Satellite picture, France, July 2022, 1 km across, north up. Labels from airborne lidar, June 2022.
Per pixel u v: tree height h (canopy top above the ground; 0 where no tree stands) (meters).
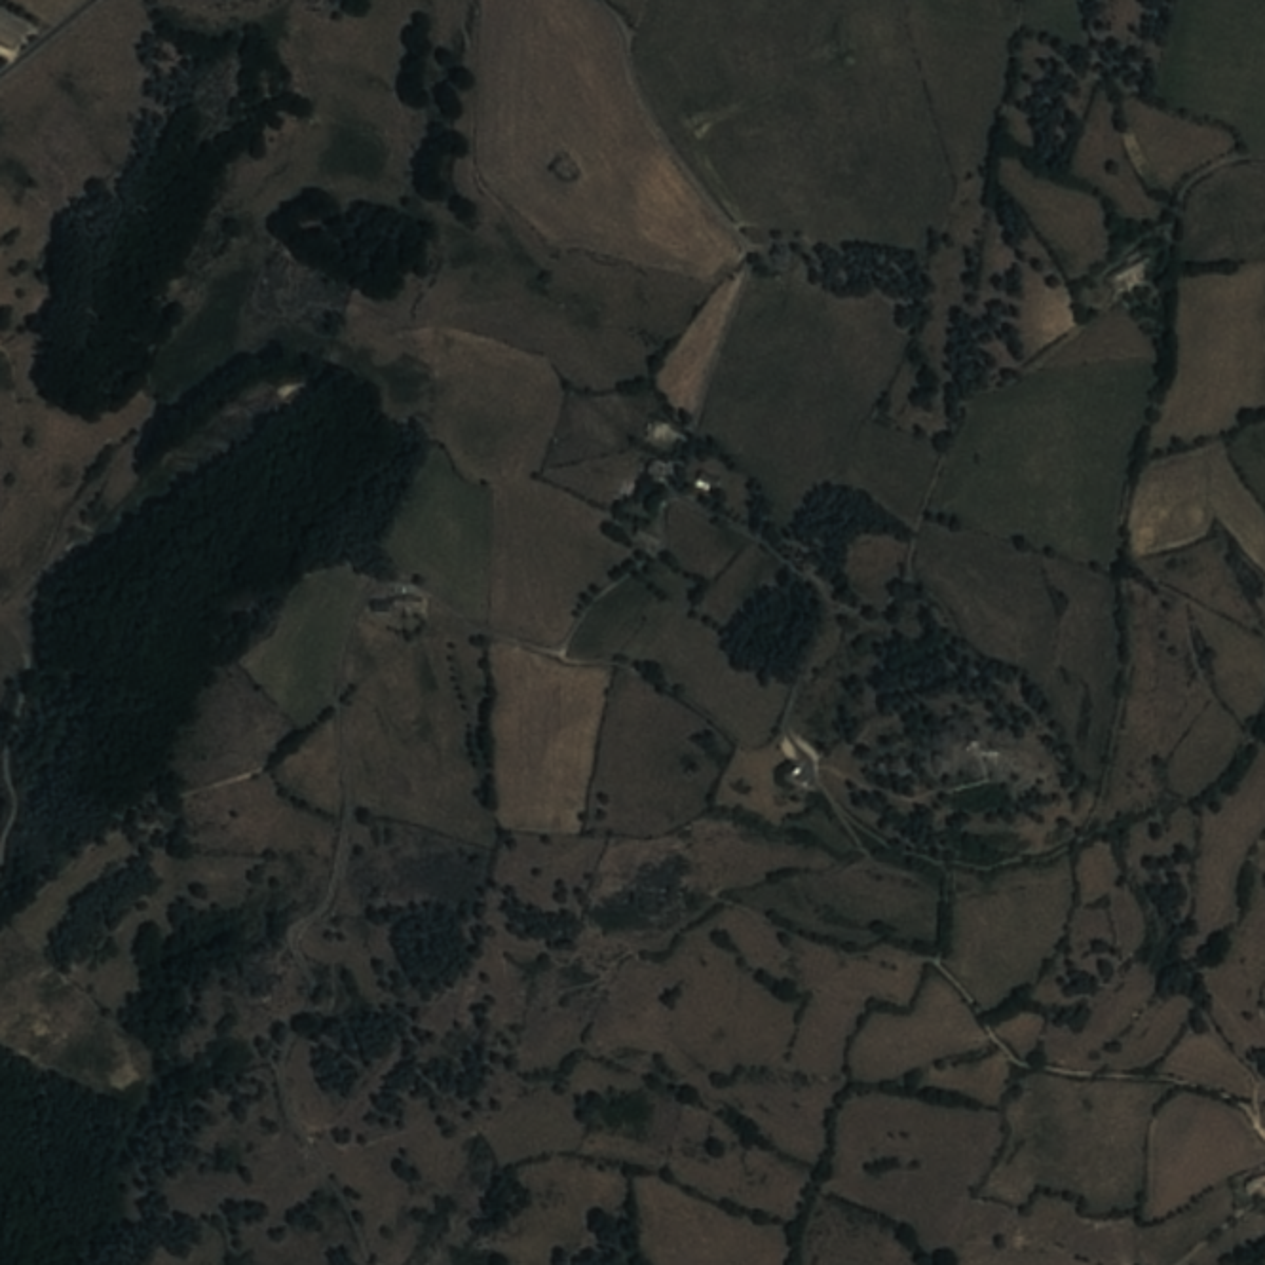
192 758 0
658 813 0
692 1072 0
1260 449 0
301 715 0
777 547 11
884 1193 0
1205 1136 0
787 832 8
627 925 0
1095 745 0
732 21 0
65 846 6
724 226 0
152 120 14
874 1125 0
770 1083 0
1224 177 0
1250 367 0
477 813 0
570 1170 0
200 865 0
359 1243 0
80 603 16
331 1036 14
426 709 0
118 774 9
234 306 0
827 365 0
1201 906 0
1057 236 0
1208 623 0
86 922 8
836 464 0
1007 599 0
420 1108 0
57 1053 0
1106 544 0
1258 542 0
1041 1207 0
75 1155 20
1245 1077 0
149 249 23
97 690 13
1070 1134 0
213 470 13
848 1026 0
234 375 21
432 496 0
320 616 0
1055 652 0
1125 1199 0
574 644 0
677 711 0
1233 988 0
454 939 14
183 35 14
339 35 0
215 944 16
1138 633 0
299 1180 0
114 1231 18
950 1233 0
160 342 19
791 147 0
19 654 0
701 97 0
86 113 0
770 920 8
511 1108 0
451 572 0
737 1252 0
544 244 0
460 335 0
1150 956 13
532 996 0
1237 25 0
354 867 0
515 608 0
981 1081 0
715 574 0
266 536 19
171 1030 13
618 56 0
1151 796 0
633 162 0
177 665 10
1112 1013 0
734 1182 0
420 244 16
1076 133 8
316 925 0
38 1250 17
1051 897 0
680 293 0
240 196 0
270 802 0
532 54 0
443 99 17
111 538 15
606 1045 0
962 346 13
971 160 0
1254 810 0
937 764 0
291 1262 0
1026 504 0
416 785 0
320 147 0
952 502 0
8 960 0
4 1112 18
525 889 0
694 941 0
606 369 0
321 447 17
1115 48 19
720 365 0
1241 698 0
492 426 0
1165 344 11
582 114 0
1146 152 0
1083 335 0
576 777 0
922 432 14
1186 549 0
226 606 7
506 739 0
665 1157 0
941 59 0
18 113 0
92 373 15
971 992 0
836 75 0
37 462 0
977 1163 0
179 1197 0
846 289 12
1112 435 0
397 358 0
